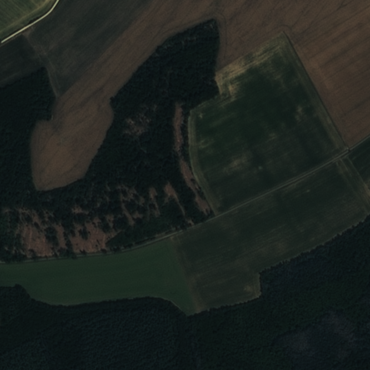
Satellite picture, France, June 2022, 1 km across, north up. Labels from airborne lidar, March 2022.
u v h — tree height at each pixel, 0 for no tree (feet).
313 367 62
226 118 0
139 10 0
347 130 0
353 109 0
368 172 0
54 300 0
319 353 61
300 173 0
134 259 0
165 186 62
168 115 38
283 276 75
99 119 0
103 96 0
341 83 0
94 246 85
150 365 70
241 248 0
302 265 65
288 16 0
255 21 0
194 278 0
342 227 0
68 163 0
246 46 0
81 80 0
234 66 0
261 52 0
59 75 0
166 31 0
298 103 0
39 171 0
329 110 0
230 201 0
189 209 65
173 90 83
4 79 0
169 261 0
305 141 0
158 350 62
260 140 0
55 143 0
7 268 0
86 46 0
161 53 53
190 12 0
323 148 0
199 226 0
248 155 0
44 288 0
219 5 0
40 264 0
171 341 77
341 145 0
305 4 0
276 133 0
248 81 0
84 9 0
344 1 0
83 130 0
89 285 0
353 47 0
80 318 64
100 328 72
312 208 0
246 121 0
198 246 0
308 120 0
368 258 38
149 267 0
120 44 0
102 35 0
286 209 0
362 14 0
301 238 0
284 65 0
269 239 0
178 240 0
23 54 0
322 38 0
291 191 0
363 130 0
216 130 0
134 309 75
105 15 0
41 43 0
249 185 0
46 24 0
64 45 0
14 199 60
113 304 38
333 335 67
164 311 75
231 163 0
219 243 0
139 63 0
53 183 0
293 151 0
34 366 44
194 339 70
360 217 0
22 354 70
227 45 0
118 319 81
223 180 0
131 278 0
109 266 0
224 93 0
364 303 37
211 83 57
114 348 56
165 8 0
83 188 58
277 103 0
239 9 0
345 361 59
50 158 0
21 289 41
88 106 0
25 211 46
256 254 0
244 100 0
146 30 0
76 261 0
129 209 66
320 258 72
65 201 57
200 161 0
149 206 61
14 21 0
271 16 0
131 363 74
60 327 50
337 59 0
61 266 0
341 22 0
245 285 0
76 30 0
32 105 41
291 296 40
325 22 0
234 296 0
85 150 0
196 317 42
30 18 0
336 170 0
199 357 68
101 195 63
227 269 0
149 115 47
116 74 0
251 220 0
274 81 0
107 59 0
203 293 0
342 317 68
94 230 37
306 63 0
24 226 47
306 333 59
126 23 0
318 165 0
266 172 0
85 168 0
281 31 0
